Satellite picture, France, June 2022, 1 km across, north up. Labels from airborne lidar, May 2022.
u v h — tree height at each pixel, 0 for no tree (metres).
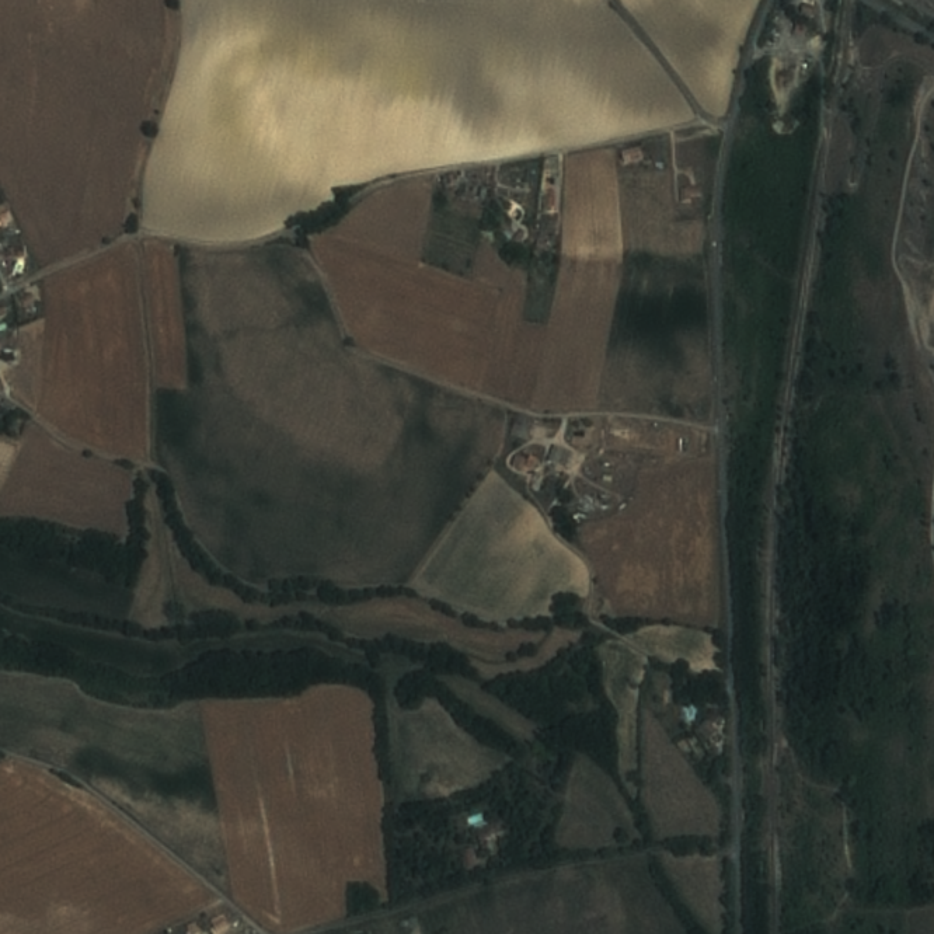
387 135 0
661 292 0
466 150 0
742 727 8
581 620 23
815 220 0
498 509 0
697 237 0
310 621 29
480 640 0
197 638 13
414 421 0
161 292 0
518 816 9
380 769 10
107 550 14
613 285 0
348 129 0
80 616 12
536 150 0
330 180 0
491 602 0
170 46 0
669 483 0
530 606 0
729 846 10
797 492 13
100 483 0
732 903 14
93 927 0
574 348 0
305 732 0
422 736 0
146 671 0
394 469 0
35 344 0
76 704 0
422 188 0
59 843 0
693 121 0
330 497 0
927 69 0
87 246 0
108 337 0
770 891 8
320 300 0
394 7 0
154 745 0
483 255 0
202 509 0
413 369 0
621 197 0
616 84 0
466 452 0
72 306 0
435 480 0
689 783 0
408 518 0
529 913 0
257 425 0
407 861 9
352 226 0
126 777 0
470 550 0
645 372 0
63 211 0
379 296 0
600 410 0
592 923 0
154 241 0
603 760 9
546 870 11
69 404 0
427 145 0
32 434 0
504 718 0
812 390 16
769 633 0
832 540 7
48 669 10
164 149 0
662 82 0
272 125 0
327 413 0
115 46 0
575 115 0
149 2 0
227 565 0
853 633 13
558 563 0
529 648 13
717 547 0
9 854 0
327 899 0
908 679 11
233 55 0
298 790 0
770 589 0
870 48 0
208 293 0
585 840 0
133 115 0
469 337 0
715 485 0
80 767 0
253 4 0
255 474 0
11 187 0
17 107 0
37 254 0
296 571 0
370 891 10
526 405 0
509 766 9
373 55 0
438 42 0
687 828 0
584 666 12
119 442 0
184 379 0
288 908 0
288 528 0
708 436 0
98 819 0
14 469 0
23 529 10
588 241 0
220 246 0
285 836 0
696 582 0
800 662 25
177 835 0
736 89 0
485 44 0
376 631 0
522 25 0
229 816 0
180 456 0
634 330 0
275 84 0
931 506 0
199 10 0
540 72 0
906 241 0
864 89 0
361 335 0
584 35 0
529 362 0
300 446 0
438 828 13
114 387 0
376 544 0
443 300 0
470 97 0
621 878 0
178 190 0
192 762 0
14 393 0
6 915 0
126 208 0
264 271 0
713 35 0
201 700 10
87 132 0
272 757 0
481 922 0
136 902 0
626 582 0
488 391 0
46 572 0
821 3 0
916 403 0
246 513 0
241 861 0
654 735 0
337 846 0
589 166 0
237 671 17
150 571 0
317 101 0
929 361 0
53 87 0
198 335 0
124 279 0
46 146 0
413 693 15
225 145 0
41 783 0
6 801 0
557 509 12
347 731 0
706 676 13
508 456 0
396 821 11
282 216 0
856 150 0
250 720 0
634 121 0
